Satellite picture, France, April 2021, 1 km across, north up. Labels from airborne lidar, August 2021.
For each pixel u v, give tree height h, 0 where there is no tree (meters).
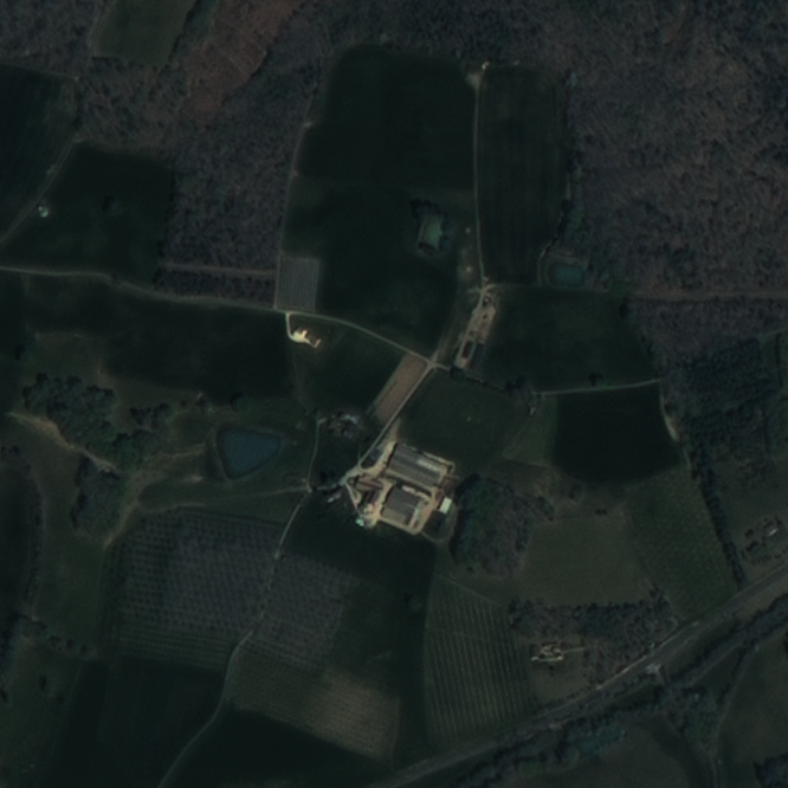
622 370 0
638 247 14
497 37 14
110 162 0
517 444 0
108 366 0
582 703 0
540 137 0
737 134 7
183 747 0
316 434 0
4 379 0
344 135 0
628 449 0
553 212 0
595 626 17
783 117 14
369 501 0
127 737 0
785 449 20
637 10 12
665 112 11
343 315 0
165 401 0
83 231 0
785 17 17
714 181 8
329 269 0
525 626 21
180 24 0
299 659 9
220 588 11
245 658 6
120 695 0
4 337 0
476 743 0
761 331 10
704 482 20
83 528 24
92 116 14
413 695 0
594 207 16
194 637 6
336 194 0
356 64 0
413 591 0
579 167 13
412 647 0
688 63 12
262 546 12
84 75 18
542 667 0
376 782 0
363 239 0
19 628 24
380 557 0
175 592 11
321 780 0
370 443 7
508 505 22
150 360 0
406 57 0
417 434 0
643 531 7
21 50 17
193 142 14
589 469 0
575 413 0
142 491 0
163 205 0
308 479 0
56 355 0
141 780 0
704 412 20
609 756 0
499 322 0
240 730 0
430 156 0
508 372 0
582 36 9
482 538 23
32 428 0
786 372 12
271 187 8
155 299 0
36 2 10
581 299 0
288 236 0
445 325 0
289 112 11
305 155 0
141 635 7
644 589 0
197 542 11
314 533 0
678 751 0
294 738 0
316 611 14
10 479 0
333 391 0
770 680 0
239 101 16
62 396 20
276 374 0
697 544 7
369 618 0
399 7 11
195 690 0
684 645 0
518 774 18
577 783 0
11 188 0
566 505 0
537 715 8
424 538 0
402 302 0
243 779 0
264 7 0
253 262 13
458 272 0
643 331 17
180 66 7
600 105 11
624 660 11
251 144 6
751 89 7
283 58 17
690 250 11
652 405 0
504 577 17
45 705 0
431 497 0
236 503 0
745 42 18
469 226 0
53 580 0
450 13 10
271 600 13
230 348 0
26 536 0
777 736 0
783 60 12
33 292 0
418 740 0
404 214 0
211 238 7
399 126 0
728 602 0
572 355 0
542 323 0
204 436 0
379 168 0
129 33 0
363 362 0
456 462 0
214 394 0
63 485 0
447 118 0
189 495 0
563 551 0
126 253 0
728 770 0
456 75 0
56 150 0
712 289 10
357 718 0
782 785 18
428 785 0
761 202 12
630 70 10
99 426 22
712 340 9
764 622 14
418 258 0
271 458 0
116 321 0
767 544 12
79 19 19
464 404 0
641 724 0
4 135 0
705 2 11
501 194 0
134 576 9
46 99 0
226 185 9
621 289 15
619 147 12
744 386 22
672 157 10
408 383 0
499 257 0
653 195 11
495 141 0
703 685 0
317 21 15
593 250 18
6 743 0
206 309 0
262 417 0
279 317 0
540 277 0
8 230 0
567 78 9
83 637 0
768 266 9
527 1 10
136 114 9
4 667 26
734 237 11
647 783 0
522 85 0
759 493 0
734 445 7
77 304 0
